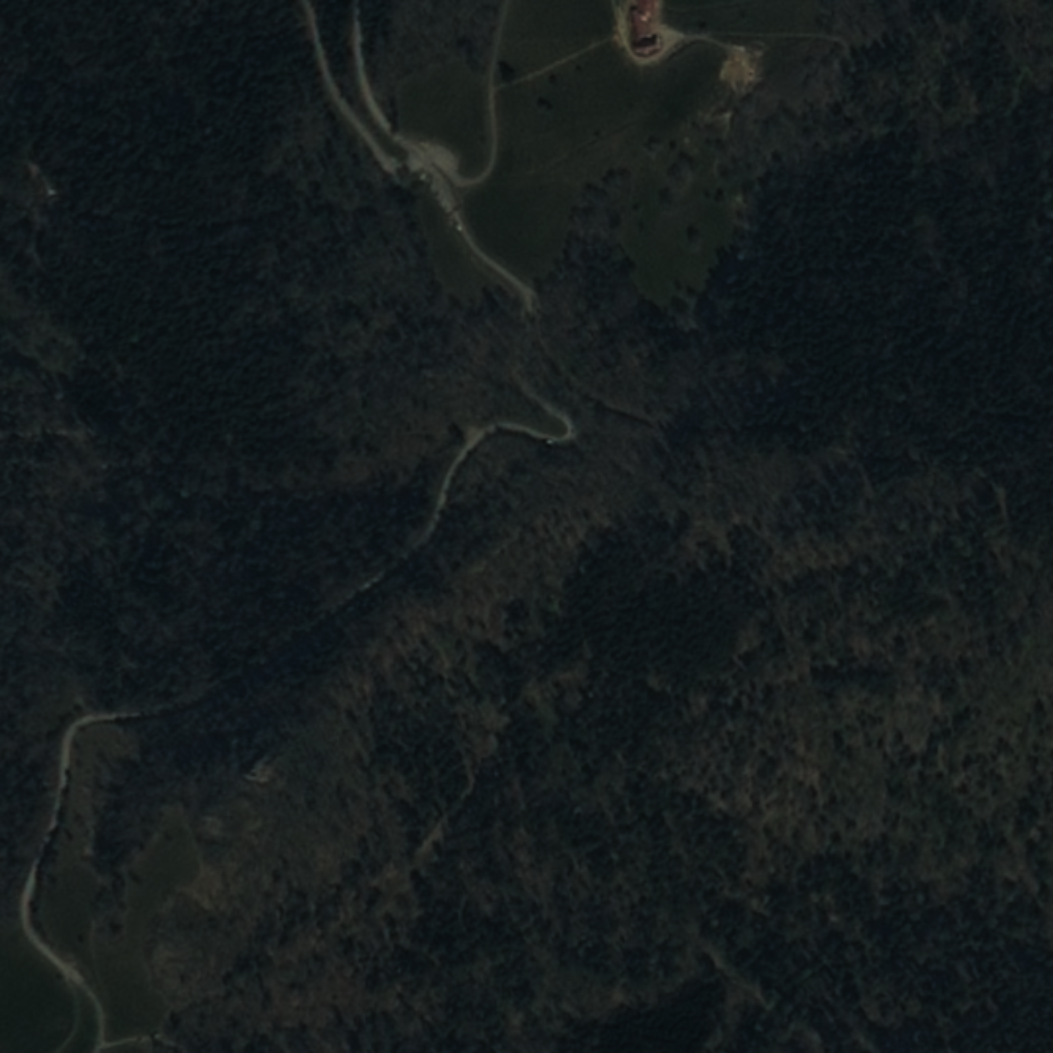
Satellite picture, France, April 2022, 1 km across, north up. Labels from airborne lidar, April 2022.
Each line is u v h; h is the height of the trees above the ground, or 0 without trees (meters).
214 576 26
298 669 21
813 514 20
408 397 14
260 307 19
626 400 15
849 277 28
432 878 23
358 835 7
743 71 0
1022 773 12
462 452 0
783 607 21
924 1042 35
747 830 22
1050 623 20
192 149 19
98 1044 0
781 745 12
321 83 19
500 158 0
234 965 16
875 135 18
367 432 16
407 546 21
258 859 8
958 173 27
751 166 23
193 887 0
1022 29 32
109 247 20
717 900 24
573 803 33
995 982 34
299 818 16
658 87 0
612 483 12
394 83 9
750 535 14
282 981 9
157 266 22
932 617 7
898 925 32
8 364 30
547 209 0
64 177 20
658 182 0
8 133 38
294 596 25
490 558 10
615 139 0
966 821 24
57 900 0
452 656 24
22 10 28
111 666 15
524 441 8
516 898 30
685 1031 13
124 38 24
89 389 17
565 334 30
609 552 27
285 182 17
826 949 33
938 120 26
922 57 23
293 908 19
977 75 30
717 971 34
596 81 0
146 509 26
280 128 23
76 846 0
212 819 0
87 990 0
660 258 0
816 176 26
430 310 11
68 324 22
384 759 29
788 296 30
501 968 26
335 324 11
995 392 29
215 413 23
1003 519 24
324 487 23
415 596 12
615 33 0
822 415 32
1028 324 32
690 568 12
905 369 31
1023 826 15
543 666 30
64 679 12
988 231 32
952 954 31
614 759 25
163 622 32
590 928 30
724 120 0
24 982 0
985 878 27
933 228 29
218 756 20
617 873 27
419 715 30
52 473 9
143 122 32
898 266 31
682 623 27
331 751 27
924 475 12
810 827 15
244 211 18
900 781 19
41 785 24
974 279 28
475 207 0
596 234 23
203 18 22
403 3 13
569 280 23
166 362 20
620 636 28
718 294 19
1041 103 27
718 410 29
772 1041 11
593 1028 16
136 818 7
